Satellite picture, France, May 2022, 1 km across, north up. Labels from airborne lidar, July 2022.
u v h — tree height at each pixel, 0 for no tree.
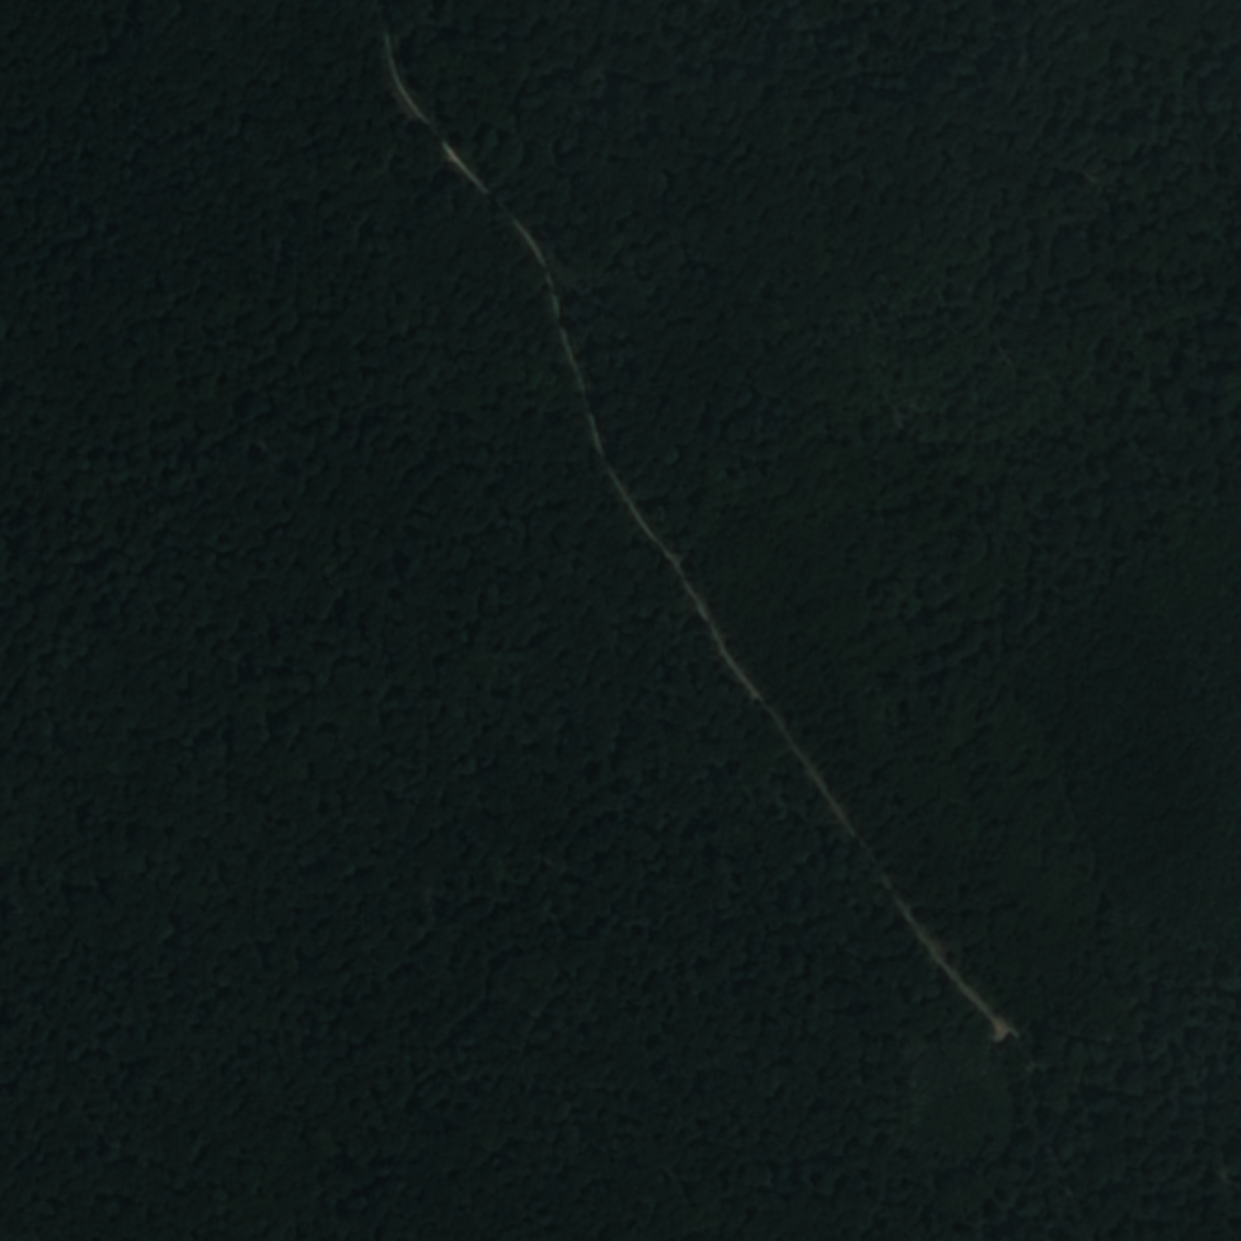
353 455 29
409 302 28
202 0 27
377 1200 30
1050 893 22
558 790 27
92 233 29
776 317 30
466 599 27
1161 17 30
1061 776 17
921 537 14
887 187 27
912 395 19
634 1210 29
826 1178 29
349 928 30
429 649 29
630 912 30
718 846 29
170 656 32
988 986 11
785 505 22
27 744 28
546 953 31
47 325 25
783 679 14
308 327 24
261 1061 30
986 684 23
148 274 25
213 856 26
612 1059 28
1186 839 29
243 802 30
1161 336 25
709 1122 28
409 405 28
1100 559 12
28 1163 27
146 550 26
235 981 29
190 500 31
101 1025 27
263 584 28
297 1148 27
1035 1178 25
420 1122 25
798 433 23
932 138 31
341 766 29
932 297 13
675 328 31
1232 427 18
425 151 25
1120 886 25
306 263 27
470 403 27
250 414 26
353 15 26
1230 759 19
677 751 29
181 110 27
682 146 25
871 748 20
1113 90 14
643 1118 29
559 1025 30
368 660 29
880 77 15
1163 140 20
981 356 19
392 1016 21
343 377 29
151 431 30
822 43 16
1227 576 18
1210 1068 9
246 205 27
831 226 28
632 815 31
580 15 29
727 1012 31
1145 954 18
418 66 27
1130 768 28
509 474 28
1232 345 33
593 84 12
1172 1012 25
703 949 29
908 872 21
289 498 30
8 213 29
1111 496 26
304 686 24
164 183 22
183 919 28
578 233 28
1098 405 22
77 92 27
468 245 26
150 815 31
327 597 30
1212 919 21
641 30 20
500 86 23
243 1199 28
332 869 31
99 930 31
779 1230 26
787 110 30
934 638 23
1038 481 29
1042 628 21
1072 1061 24
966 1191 30
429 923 25
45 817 29
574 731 29
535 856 27
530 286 29
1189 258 30
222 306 26
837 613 20
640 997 29
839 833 27
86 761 28
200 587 29
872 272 23
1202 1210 26
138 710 29
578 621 26
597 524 27
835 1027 29
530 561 27
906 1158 25
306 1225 32
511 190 28
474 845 28
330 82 23
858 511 13
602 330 30
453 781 30
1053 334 28
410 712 30
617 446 24
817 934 31
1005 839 17
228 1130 28
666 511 27
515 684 27
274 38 29
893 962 30
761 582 11
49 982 31
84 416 27
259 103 30
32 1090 30
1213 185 10
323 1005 24
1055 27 30
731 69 29
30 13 30
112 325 22
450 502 26
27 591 14
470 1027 33
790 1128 28
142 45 30
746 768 31
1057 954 18
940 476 10
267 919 29
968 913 19
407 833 29
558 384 30
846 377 28
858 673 16
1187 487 26
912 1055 14
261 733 27
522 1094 29
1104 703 28
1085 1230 28
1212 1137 27
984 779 16
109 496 16
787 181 27
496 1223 29
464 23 24
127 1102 29
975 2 32
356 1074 33
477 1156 30
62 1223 30
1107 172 29
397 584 27
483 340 28
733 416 11
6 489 25
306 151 24
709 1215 31
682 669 30
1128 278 24
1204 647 19
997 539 31
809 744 14
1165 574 17
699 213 29
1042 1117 20
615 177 29
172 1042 26
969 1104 14
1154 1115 16
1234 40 12
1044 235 27
